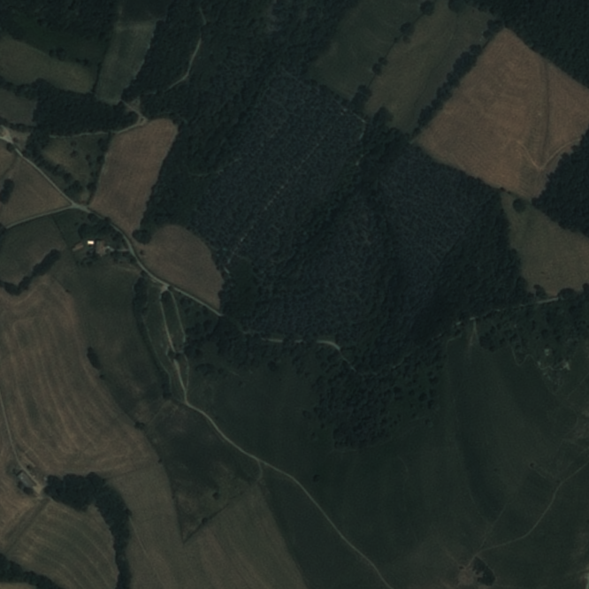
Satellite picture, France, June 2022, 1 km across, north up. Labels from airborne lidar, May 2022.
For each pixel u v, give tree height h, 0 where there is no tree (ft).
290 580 0
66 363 0
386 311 62
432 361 31
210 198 55
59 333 0
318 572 0
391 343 65
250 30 34
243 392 0
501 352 0
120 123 24
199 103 48
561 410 0
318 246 70
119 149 0
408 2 0
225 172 45
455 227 60
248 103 60
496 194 35
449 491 0
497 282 30
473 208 51
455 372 0
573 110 0
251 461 0
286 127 39
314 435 29
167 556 0
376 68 38
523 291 52
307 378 21
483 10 57
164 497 0
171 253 0
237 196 51
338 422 45
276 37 53
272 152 65
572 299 42
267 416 0
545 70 0
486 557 0
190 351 49
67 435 0
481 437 0
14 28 79
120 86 0
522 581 0
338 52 0
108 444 0
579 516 0
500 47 0
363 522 0
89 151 0
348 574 0
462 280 50
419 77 0
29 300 0
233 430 0
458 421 0
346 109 47
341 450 22
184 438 0
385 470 0
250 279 23
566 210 63
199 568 0
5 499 0
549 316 43
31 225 0
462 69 62
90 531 0
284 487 0
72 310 0
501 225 62
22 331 0
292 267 51
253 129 57
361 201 67
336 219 85
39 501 0
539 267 0
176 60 21
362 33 0
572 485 0
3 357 0
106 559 0
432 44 0
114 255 33
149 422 0
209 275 0
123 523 50
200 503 0
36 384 0
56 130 46
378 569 0
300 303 50
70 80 0
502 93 0
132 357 0
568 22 36
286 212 54
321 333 65
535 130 0
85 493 72
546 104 0
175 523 0
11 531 0
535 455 0
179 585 0
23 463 0
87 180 0
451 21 0
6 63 0
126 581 49
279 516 0
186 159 58
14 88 46
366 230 47
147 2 0
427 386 0
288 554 0
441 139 0
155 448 0
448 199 52
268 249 65
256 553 0
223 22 21
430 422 33
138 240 43
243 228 53
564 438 0
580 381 0
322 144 68
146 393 0
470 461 0
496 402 0
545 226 0
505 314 18
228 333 57
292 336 44
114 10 54
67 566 0
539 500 0
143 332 23
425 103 0
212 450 0
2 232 52
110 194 0
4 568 65
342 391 62
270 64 83
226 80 49
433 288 45
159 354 0
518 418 0
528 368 0
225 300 51
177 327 0
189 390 0
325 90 63
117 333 0
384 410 29
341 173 73
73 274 0
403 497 0
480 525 0
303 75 61
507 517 0
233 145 58
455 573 0
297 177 56
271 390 0
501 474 0
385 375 36
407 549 0
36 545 0
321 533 0
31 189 0
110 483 0
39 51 0
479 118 0
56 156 0
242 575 0
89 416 0
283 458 0
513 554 0
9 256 0
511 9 30
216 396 0
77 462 0
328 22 38
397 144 81
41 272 53
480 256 36
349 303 56
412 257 58
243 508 0
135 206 0
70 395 0
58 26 73
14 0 83
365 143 91
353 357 42
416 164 52
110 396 0
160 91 34
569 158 47
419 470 0
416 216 48
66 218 0
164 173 39
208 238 38
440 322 52
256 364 34
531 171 0
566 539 0
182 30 25
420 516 0
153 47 32
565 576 0
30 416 0
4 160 0
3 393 0
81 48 0
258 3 22
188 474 0
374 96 0
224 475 0
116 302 0
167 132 0
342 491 0
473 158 0
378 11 0
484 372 0
